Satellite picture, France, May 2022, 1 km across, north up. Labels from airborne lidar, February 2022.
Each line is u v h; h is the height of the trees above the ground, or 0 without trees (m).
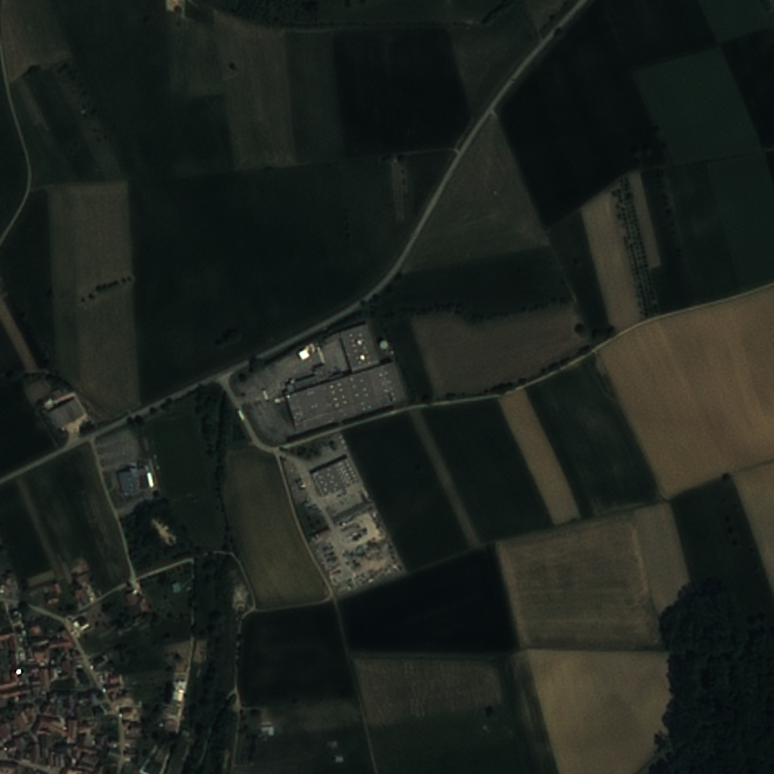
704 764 27
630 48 0
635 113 0
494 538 0
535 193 0
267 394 0
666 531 0
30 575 0
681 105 0
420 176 0
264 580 0
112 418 0
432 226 0
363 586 0
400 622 0
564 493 0
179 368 0
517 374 0
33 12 0
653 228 0
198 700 0
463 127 0
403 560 0
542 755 0
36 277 0
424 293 0
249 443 0
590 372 0
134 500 0
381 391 0
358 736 0
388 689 0
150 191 0
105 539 0
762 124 0
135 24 0
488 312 0
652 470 0
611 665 0
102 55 0
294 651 0
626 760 0
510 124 0
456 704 0
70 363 0
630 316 0
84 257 0
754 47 0
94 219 0
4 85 0
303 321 0
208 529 0
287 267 0
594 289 0
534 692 0
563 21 0
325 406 0
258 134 0
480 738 0
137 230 0
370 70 0
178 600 0
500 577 0
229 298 0
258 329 0
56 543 0
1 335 0
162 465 0
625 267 0
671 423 0
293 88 0
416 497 0
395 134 0
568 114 0
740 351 0
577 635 0
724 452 0
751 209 0
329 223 0
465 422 0
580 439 0
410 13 0
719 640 33
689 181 0
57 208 0
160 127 0
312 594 0
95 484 0
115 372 0
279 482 0
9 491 0
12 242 0
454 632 0
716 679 27
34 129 0
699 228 0
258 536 0
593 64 0
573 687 0
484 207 0
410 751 0
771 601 0
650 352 0
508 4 7
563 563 0
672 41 0
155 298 0
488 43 0
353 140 0
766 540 0
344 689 0
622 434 0
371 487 0
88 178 0
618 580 0
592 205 0
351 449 0
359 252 0
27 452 0
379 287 0
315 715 0
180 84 0
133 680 0
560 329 0
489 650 0
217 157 0
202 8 0
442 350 0
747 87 0
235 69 8
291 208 0
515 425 0
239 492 0
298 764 0
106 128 0
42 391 0
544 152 0
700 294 0
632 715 0
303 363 0
